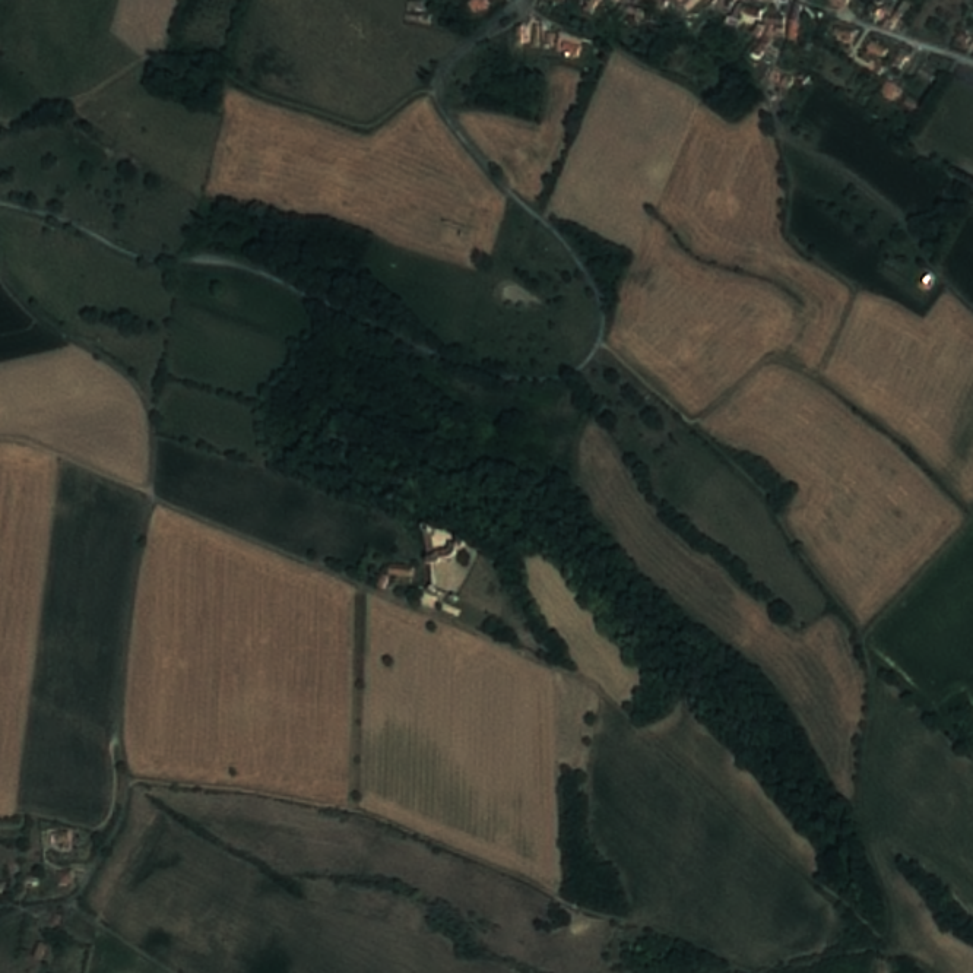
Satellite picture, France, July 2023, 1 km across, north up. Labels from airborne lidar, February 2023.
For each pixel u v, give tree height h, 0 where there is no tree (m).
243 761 0
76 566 0
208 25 0
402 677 0
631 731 0
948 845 0
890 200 0
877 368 0
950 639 0
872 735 0
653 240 0
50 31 0
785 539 0
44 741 0
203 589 0
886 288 0
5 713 0
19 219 0
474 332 0
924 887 13
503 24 6
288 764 0
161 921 0
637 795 0
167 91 10
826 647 0
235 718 0
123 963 0
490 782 0
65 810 0
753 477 7
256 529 0
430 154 0
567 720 0
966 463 0
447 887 0
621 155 0
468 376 18
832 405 0
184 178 0
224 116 0
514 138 0
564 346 0
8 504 0
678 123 0
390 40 0
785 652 0
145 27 0
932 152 0
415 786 0
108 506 0
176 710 0
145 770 0
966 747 16
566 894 8
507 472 21
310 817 0
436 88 0
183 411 0
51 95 0
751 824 0
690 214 0
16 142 0
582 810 11
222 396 11
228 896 0
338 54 0
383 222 0
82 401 0
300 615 0
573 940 0
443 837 0
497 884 0
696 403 0
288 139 0
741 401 0
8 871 8
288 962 0
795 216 0
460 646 0
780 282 0
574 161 0
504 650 0
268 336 0
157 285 0
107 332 0
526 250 0
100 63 0
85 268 0
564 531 16
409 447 23
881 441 0
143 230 0
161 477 0
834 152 0
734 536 0
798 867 0
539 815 0
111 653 0
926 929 0
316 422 6
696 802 0
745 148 0
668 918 0
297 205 0
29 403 0
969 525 0
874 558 0
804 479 0
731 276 0
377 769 0
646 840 0
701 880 0
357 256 9
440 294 0
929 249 17
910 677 0
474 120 0
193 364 0
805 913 0
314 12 0
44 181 0
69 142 0
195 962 0
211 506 0
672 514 15
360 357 12
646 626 18
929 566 0
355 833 0
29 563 0
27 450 0
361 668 0
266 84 0
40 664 0
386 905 0
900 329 0
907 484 0
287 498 0
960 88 0
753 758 23
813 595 0
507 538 19
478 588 0
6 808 0
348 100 0
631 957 14
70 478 0
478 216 0
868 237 14
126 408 0
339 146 0
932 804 0
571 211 0
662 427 22
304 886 0
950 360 0
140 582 0
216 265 0
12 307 0
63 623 0
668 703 15
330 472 29
